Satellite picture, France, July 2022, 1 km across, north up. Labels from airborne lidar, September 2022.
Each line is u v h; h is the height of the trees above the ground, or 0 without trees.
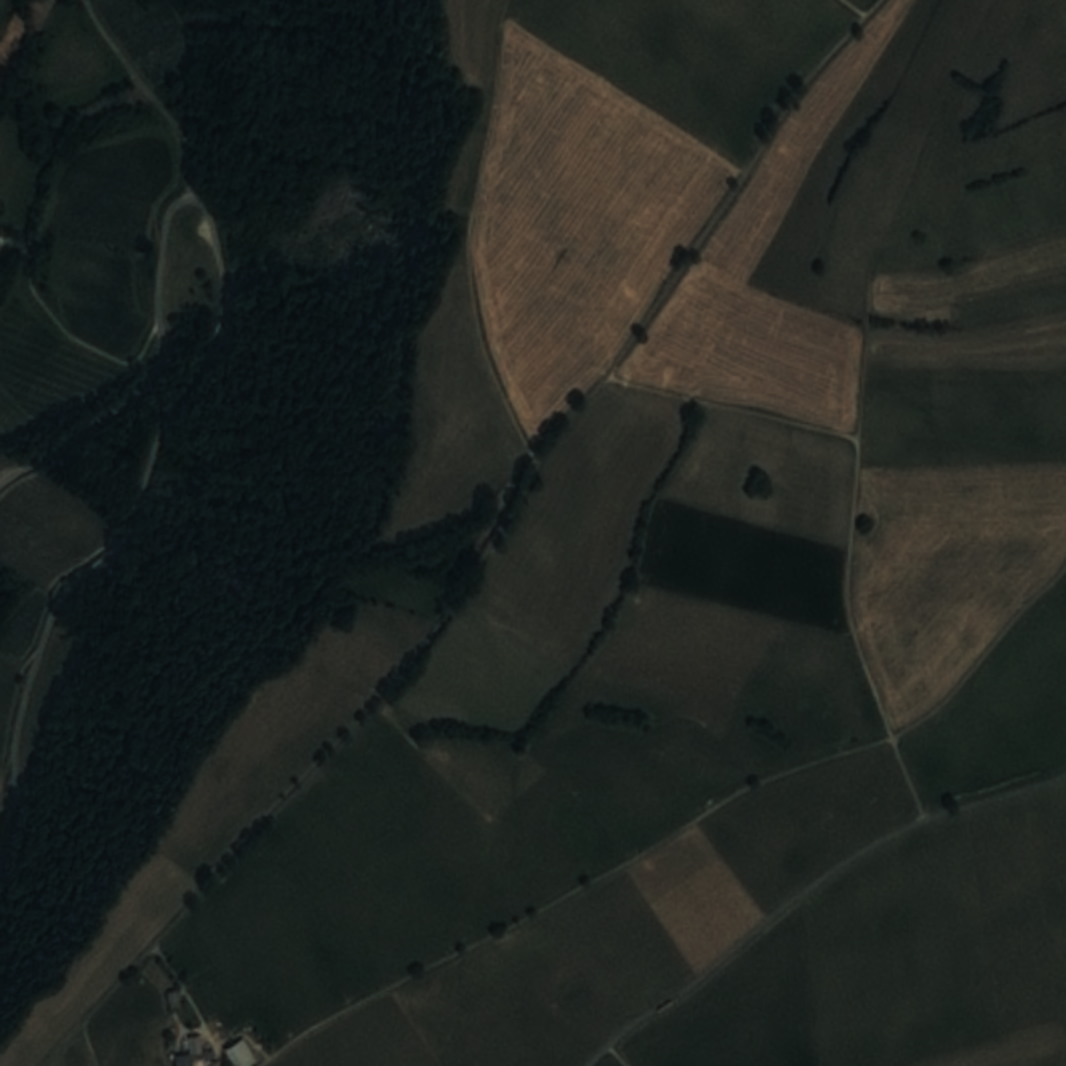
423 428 0
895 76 0
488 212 0
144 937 0
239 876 0
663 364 0
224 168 30
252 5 29
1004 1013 0
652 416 0
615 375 0
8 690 0
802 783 0
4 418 0
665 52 0
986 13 0
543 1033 0
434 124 30
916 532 0
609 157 0
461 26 0
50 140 18
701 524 0
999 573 0
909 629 0
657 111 0
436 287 15
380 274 27
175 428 26
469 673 0
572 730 0
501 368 0
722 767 0
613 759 0
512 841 0
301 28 25
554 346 0
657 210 0
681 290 0
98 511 13
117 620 26
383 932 0
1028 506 0
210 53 25
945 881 0
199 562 31
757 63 0
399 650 0
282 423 19
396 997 0
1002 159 0
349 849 0
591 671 0
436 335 0
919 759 0
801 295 0
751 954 0
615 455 0
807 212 0
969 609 0
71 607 23
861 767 0
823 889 0
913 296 0
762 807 0
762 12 0
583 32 0
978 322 0
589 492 0
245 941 0
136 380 12
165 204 0
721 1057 0
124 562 33
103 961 0
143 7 14
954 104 0
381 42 24
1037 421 0
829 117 0
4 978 18
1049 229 0
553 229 0
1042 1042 0
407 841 0
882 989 0
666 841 0
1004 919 0
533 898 0
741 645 0
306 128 30
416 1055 0
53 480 7
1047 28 0
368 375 20
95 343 0
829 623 0
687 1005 0
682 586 0
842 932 0
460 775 0
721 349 0
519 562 0
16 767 0
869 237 0
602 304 0
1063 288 0
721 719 0
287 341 21
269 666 19
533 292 0
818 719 0
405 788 0
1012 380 0
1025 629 0
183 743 25
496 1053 0
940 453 0
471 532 17
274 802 0
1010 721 0
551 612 0
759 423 0
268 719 0
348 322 28
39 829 34
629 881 0
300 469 31
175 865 0
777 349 0
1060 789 0
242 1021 0
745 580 0
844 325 0
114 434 24
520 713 0
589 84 0
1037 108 0
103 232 0
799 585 0
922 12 0
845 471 0
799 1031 0
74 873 22
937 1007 0
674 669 0
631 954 0
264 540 34
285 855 0
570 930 0
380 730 0
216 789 0
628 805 0
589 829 0
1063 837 0
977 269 0
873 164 0
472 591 19
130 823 22
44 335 0
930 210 0
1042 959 0
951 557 0
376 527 16
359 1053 0
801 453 0
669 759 0
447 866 0
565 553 0
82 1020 0
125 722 24
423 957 0
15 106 12
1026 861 0
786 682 0
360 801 0
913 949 0
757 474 13
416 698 0
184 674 27
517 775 0
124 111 7
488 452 0
